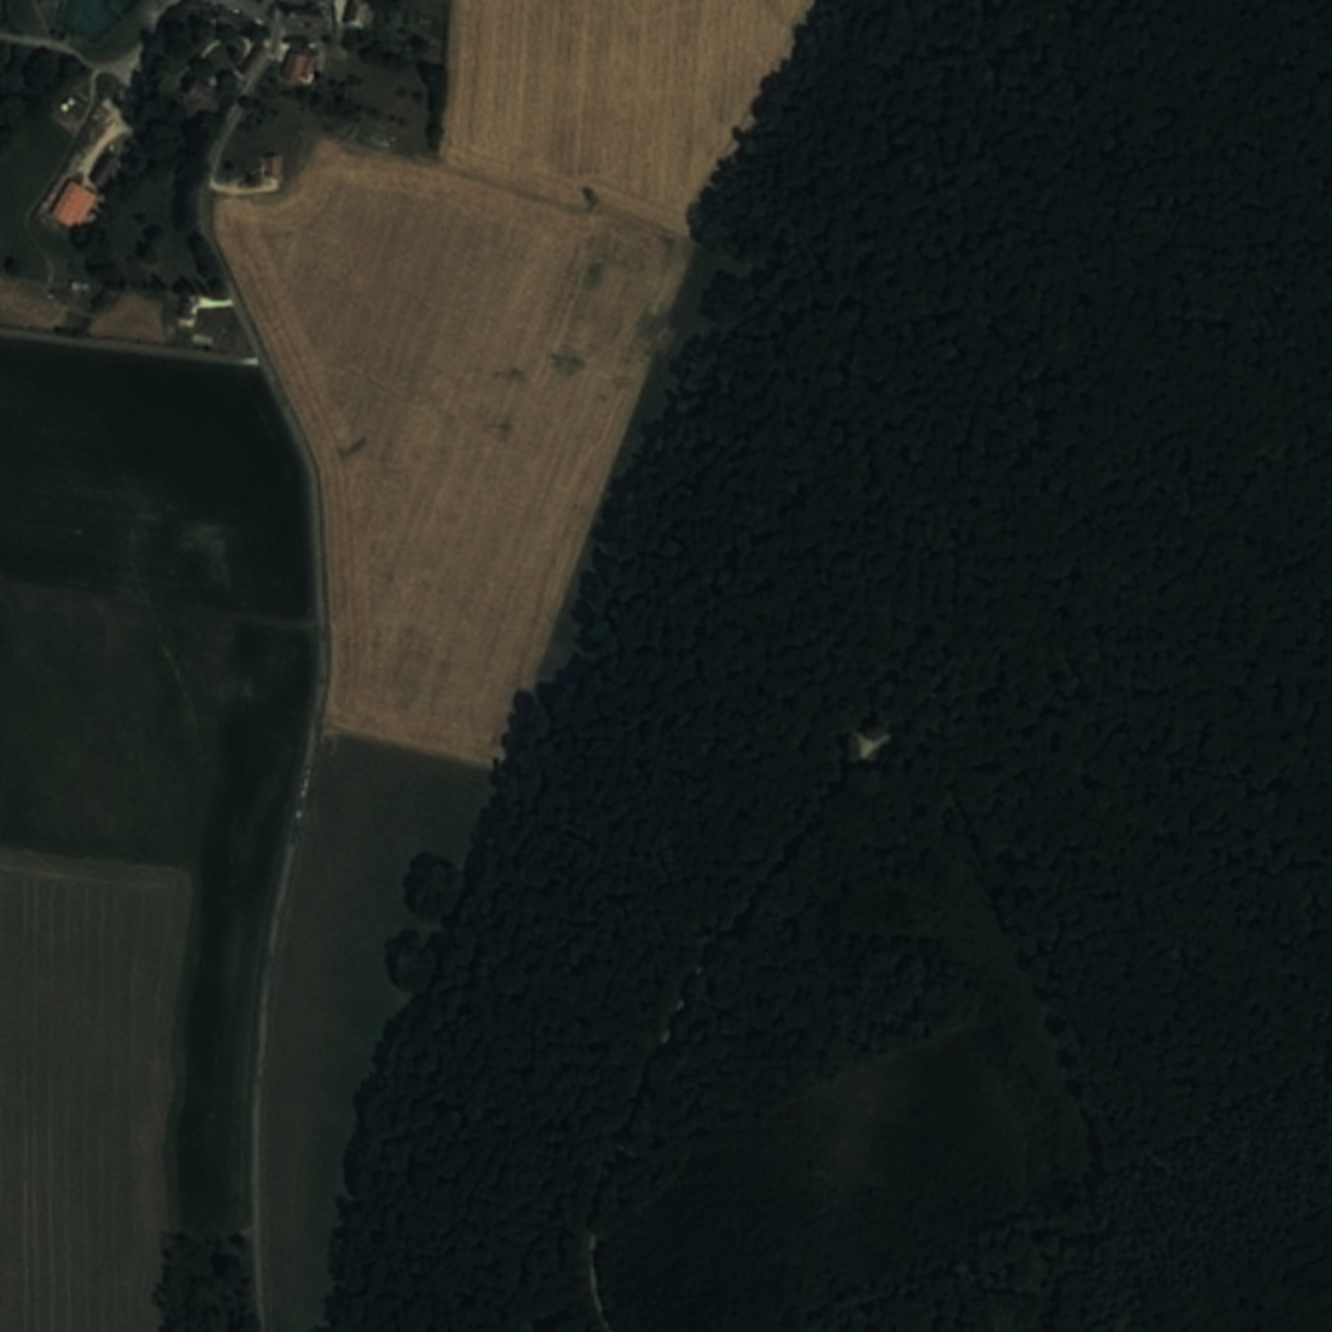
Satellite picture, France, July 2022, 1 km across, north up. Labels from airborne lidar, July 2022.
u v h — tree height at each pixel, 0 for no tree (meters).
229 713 0
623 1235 10
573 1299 21
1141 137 27
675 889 29
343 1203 0
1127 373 28
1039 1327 10
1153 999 27
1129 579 29
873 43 28
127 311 0
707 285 0
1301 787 28
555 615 0
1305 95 29
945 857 33
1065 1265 29
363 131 0
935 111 27
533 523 0
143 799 0
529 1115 27
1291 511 28
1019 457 22
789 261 25
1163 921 29
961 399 26
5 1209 0
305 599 0
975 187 31
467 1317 34
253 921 0
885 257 24
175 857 0
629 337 0
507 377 0
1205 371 25
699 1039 23
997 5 23
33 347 0
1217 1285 28
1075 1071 28
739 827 27
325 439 0
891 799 26
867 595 22
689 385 25
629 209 0
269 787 0
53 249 0
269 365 0
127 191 14
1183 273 26
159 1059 0
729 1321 17
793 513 30
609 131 0
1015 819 27
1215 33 29
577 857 30
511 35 0
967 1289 28
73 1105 0
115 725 0
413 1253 32
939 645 25
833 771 27
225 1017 0
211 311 0
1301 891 28
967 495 27
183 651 0
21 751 0
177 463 0
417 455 0
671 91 0
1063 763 29
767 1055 17
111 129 0
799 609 22
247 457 0
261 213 0
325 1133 0
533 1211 32
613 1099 28
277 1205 0
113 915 0
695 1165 8
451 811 0
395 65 9
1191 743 28
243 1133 0
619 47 0
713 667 29
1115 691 29
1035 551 27
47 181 0
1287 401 26
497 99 0
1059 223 25
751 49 0
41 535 0
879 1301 12
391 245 0
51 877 0
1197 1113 25
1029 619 28
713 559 27
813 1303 9
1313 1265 29
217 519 0
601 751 33
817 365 24
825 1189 11
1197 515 25
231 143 0
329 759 0
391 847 0
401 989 18
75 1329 0
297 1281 0
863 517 14
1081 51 27
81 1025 0
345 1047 0
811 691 26
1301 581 30
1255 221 29
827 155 23
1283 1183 27
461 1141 33
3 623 0
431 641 0
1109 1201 28
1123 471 30
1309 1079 27
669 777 29
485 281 0
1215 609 28
